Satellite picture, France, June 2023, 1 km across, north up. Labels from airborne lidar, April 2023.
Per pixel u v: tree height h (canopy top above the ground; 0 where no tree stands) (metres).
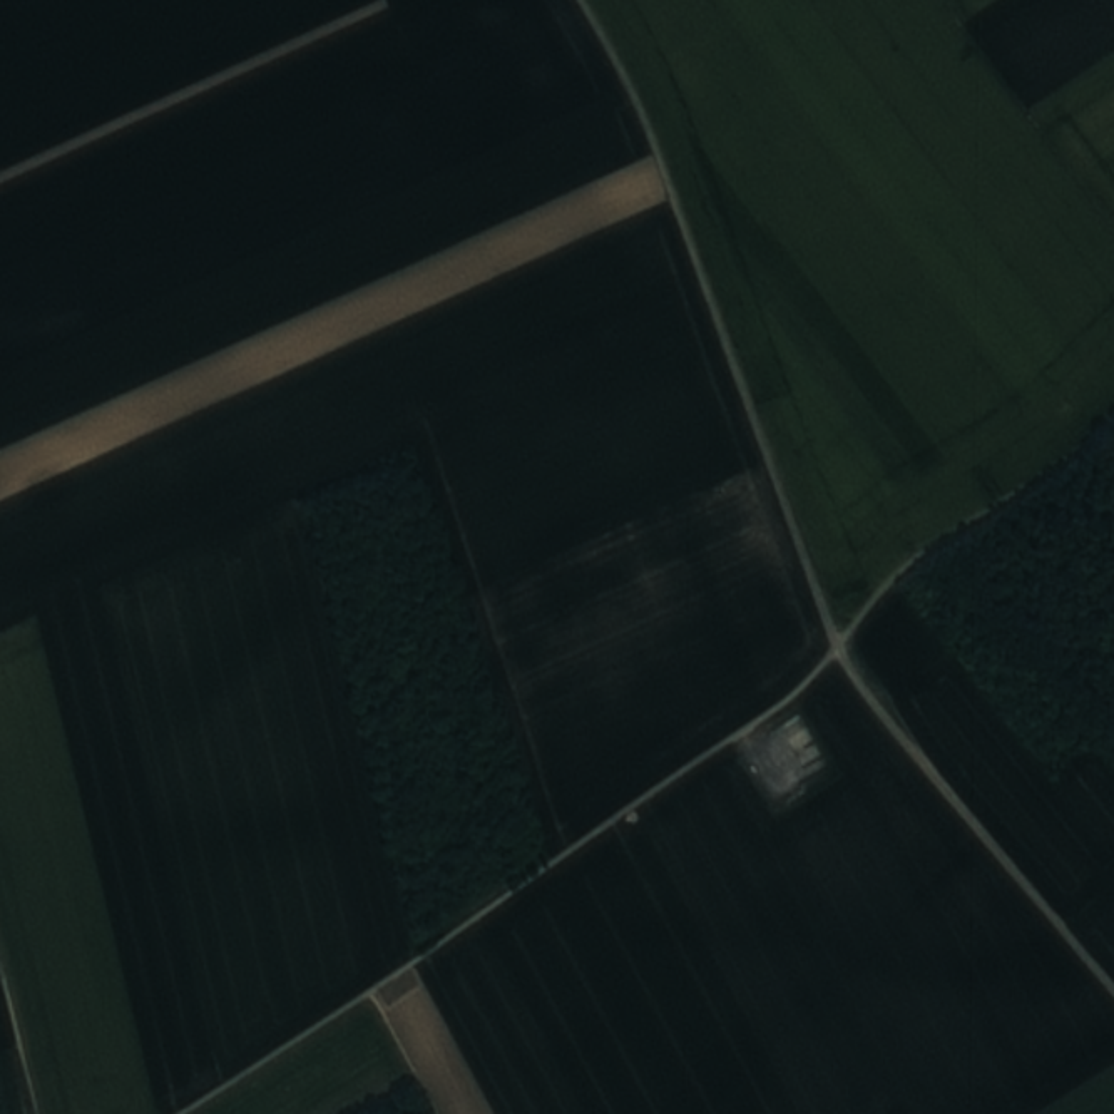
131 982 0
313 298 0
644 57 0
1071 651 16
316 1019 0
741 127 0
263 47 0
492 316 0
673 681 0
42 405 0
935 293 0
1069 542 18
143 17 0
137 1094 0
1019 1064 0
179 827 0
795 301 0
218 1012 0
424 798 17
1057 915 0
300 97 0
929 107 0
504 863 17
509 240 0
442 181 0
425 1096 18
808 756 0
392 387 0
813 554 0
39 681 0
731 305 0
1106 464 19
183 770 0
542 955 0
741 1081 0
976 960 0
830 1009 0
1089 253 0
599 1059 0
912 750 0
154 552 0
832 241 0
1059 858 0
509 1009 0
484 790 19
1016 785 0
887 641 0
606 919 0
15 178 0
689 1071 0
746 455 0
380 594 19
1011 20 0
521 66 0
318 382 0
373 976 0
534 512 0
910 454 0
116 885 0
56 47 0
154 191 0
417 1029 0
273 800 0
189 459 0
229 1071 0
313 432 0
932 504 0
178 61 0
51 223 0
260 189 0
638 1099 0
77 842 0
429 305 0
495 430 0
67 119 0
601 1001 0
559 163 0
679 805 0
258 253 0
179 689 0
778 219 0
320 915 0
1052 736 13
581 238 0
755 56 0
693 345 0
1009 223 0
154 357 0
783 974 0
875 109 0
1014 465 0
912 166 0
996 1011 0
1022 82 0
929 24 0
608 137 0
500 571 0
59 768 0
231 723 0
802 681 0
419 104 0
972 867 0
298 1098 0
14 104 0
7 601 0
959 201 0
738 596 0
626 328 0
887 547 0
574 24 0
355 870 0
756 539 0
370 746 16
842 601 0
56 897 0
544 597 0
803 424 0
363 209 0
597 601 0
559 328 0
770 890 0
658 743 0
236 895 0
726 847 0
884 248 0
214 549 0
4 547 0
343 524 20
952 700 0
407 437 0
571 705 0
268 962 0
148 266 0
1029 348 0
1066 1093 0
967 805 0
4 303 0
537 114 0
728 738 0
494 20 0
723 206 0
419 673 23
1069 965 0
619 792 0
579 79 0
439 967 0
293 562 0
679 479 0
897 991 0
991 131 0
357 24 0
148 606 0
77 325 0
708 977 0
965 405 0
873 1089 0
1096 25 0
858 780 0
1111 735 16
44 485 0
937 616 14
